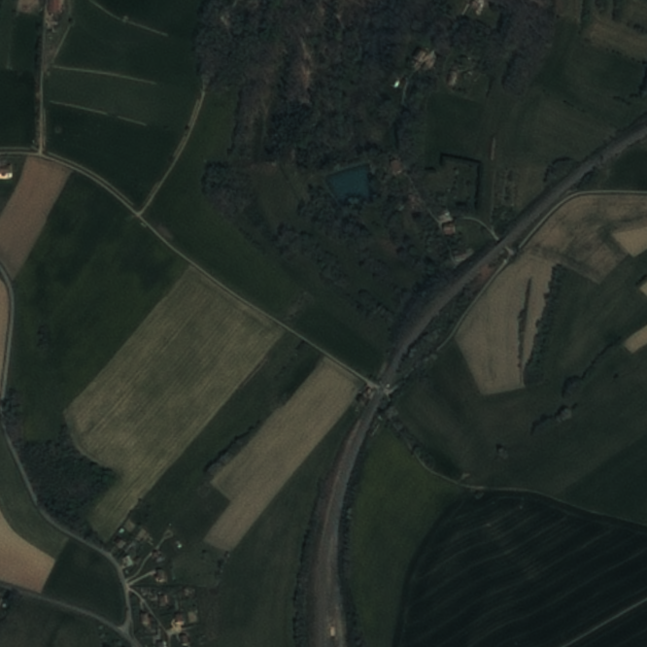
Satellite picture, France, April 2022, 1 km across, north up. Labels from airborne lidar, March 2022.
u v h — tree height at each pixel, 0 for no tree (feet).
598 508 0
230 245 0
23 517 0
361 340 0
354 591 0
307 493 0
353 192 0
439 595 0
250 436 20
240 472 0
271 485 0
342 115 73
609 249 0
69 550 0
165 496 0
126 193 0
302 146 83
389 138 0
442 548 0
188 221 0
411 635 0
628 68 0
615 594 0
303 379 0
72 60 0
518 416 0
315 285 0
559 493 0
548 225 0
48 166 0
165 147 0
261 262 0
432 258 0
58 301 0
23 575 0
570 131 0
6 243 0
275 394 0
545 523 0
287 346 0
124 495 0
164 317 0
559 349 0
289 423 0
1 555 0
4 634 0
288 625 0
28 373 0
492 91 0
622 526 0
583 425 0
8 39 0
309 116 100
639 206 0
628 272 0
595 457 0
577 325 0
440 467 0
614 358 0
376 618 0
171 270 0
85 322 0
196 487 0
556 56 0
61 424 0
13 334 0
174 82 0
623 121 0
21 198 0
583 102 0
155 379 0
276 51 112
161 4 0
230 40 94
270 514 0
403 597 0
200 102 0
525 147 0
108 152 0
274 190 0
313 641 0
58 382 0
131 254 0
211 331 0
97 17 0
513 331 0
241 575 0
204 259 0
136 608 19
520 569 0
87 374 0
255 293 0
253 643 0
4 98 0
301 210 28
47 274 0
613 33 0
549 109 0
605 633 0
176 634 0
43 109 0
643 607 0
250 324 0
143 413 0
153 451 0
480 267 0
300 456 0
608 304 0
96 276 0
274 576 0
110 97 0
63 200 0
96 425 0
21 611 0
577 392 57
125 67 0
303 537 0
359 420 0
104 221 0
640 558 0
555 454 0
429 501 0
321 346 0
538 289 0
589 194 0
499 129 0
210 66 99
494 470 0
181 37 0
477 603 0
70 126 0
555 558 0
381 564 0
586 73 0
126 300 0
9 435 60
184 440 0
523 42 75
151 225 0
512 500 0
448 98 0
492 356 0
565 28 0
